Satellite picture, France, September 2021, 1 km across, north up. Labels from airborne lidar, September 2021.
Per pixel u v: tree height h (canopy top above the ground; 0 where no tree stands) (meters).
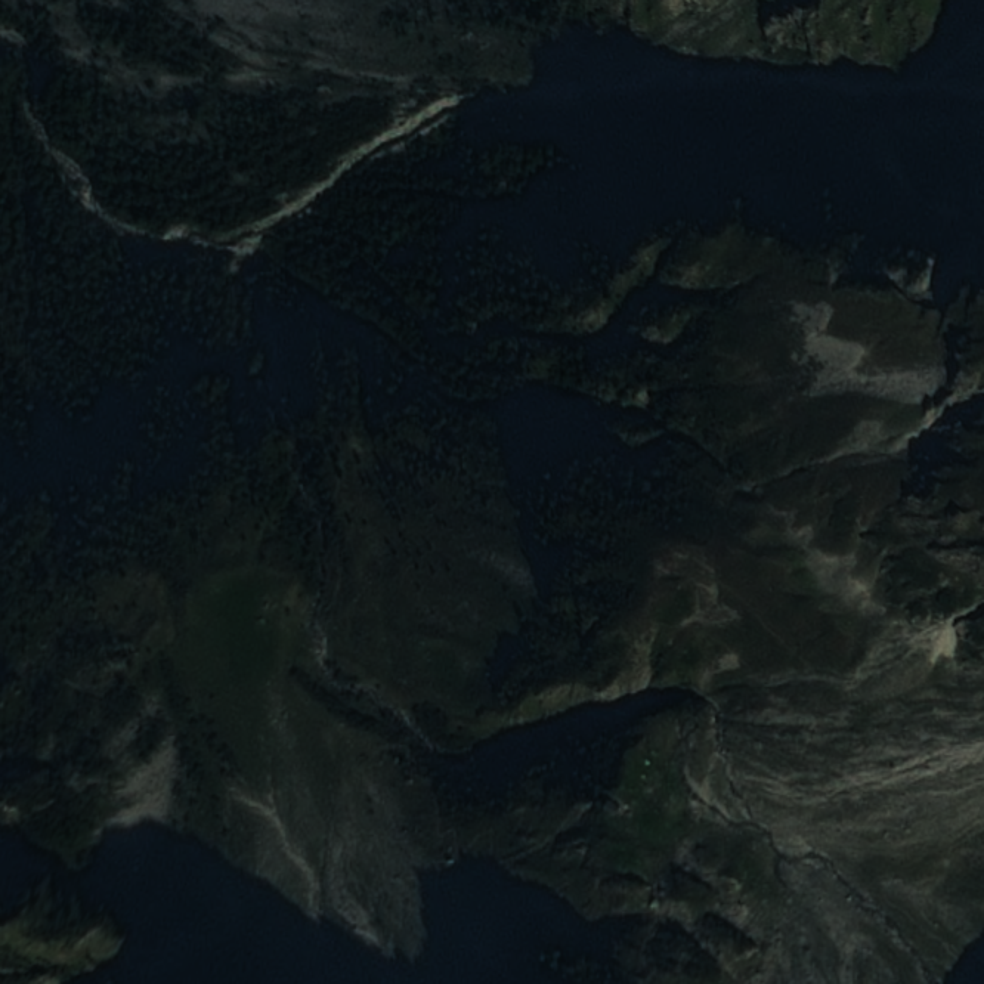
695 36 0
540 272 7
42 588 9
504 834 0
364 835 0
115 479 6
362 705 0
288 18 0
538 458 10
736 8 0
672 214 8
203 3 0
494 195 14
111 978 8
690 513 0
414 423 5
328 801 0
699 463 0
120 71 0
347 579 0
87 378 8
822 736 0
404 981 0
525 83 0
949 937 0
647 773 0
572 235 12
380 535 0
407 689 0
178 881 0
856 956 0
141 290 11
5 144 14
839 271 0
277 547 0
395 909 0
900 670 0
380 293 13
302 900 0
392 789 0
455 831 0
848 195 7
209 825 0
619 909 0
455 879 0
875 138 0
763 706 0
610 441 7
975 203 0
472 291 13
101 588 0
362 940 0
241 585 0
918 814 0
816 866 0
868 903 0
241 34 0
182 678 0
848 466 0
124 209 8
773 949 0
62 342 11
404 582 0
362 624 0
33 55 6
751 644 0
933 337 0
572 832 0
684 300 8
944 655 0
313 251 10
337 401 6
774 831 0
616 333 8
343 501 0
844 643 0
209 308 6
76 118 7
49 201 6
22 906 8
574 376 10
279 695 0
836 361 0
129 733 0
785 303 0
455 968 0
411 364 7
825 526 0
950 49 0
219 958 9
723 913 0
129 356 10
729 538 0
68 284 7
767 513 0
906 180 0
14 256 9
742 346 0
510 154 10
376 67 0
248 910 0
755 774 0
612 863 0
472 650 0
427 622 0
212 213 12
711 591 0
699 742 0
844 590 0
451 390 7
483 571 0
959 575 0
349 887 0
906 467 0
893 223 8
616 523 6
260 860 0
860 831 0
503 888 0
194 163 13
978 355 0
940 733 0
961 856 0
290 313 7
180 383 6
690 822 0
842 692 0
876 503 0
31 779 8
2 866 13
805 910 0
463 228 13
